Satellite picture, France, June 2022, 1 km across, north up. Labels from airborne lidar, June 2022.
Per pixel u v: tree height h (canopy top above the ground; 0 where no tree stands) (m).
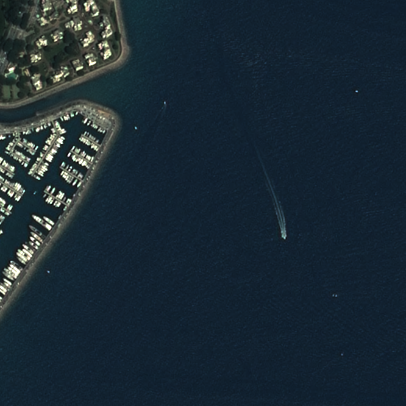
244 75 0
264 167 0
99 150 0
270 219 0
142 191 0
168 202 0
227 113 0
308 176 0
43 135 0
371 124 0
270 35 0
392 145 0
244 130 0
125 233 0
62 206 0
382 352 0
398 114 0
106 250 0
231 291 0
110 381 0
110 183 0
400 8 0
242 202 0
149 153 0
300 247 0
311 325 0
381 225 0
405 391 0
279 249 0
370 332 0
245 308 0
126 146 0
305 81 0
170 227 0
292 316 0
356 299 0
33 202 0
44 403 0
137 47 0
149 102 0
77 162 0
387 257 0
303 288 0
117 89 0
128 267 0
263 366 0
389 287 0
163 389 0
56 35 0
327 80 0
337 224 0
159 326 0
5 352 0
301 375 0
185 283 0
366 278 0
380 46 0
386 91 0
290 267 0
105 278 0
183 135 0
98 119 0
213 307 0
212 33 0
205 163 0
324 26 0
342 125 0
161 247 0
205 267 0
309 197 0
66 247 0
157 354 0
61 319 0
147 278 0
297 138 0
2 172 0
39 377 0
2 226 0
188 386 0
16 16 18
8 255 0
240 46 0
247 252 0
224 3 0
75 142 0
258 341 0
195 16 0
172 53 0
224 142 0
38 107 0
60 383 0
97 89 0
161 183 0
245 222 0
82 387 0
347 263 0
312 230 0
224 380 0
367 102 0
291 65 0
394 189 0
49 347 0
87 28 0
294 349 0
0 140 0
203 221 0
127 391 0
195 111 0
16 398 0
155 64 0
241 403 0
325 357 0
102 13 12
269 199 0
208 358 0
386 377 0
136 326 0
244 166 0
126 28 0
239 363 0
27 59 16
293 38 0
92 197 0
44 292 0
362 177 0
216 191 0
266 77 0
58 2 0
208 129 0
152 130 0
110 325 0
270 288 0
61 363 0
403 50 0
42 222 0
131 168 0
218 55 0
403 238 0
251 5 0
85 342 0
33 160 0
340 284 0
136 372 0
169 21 0
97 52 0
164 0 0
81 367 0
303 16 0
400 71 0
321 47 0
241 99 0
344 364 0
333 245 0
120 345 0
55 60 15
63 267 0
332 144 0
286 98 0
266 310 0
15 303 0
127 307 0
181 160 0
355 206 0
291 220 0
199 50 0
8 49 12
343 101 0
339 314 0
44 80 13
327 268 0
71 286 0
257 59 0
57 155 0
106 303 0
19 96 12
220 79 0
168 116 0
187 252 0
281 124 0
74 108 0
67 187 0
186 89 0
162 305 0
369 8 0
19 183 0
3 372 0
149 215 0
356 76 0
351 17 0
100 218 0
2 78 13
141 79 0
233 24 0
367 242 0
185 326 0
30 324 0
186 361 0
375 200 0
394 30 0
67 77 12
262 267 0
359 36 0
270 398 0
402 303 0
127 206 0
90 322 0
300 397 0
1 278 0
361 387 0
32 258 0
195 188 0
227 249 0
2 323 0
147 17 0
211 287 0
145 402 0
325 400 0
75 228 0
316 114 0
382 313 0
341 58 0
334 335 0
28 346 0
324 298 0
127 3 0
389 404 0
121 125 0
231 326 0
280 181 0
